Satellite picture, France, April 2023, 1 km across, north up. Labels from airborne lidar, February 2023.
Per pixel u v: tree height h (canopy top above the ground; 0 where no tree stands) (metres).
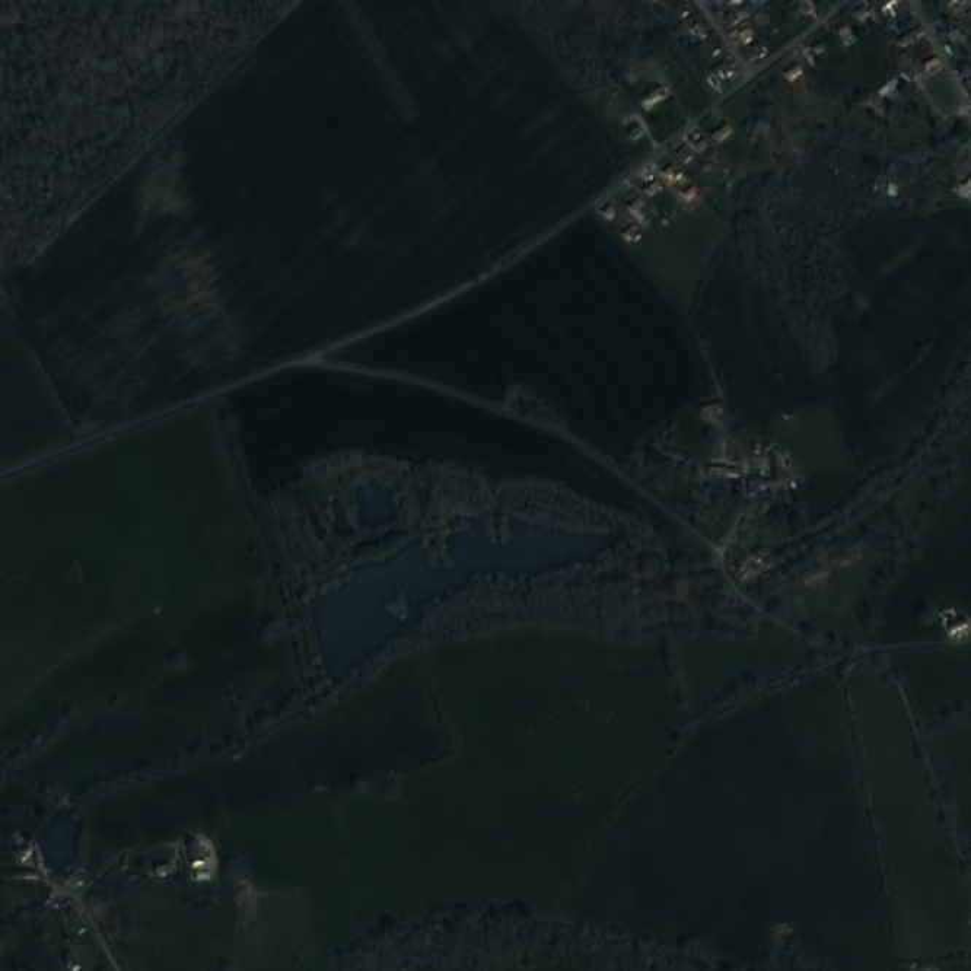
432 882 0
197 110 0
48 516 0
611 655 0
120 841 0
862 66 0
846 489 0
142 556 0
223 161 0
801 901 0
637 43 20
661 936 0
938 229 0
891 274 0
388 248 0
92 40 28
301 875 0
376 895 0
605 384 0
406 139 0
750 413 0
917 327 0
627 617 23
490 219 0
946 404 14
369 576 0
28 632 0
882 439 0
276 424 0
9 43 22
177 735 0
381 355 0
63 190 13
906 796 0
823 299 17
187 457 0
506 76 0
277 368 0
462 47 0
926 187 11
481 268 0
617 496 0
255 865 0
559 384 0
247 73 0
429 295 0
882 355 0
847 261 0
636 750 0
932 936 0
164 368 0
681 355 0
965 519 0
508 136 0
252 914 0
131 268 0
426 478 13
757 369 0
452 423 0
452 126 0
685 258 0
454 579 0
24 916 13
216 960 0
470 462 0
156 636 0
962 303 0
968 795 0
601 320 0
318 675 9
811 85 11
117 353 0
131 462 0
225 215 0
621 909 0
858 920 0
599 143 0
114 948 0
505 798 0
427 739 0
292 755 0
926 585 0
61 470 0
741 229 13
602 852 0
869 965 0
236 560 0
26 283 0
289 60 0
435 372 0
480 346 0
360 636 0
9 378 0
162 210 0
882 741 0
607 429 0
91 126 21
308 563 15
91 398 0
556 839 0
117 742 0
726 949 0
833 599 0
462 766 0
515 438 0
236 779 0
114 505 0
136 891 0
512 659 0
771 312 0
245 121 0
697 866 0
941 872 0
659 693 0
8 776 12
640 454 12
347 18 10
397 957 19
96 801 12
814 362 18
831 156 14
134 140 20
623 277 0
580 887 0
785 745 0
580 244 0
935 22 0
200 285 0
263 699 0
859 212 15
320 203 0
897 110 8
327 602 0
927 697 0
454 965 28
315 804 0
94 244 0
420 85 0
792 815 0
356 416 0
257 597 0
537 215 0
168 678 0
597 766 0
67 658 0
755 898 0
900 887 0
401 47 0
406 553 0
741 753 0
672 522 0
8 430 0
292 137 0
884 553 11
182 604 0
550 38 11
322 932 0
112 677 0
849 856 0
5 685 0
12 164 23
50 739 7
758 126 14
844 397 0
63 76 29
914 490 0
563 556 0
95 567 0
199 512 0
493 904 0
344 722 0
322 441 0
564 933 13
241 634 0
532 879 0
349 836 0
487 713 0
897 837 0
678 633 18
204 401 0
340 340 0
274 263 0
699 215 0
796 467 0
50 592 0
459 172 0
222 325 0
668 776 0
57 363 0
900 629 0
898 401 0
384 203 0
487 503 37
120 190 0
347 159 0
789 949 14
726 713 12
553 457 0
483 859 0
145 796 0
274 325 0
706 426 0
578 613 26
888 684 13
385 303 0
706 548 0
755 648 0
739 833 0
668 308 0
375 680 13
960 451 0
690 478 11
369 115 0
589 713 0
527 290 0
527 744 0
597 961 10
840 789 0
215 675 0
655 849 0
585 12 19
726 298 0
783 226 11
